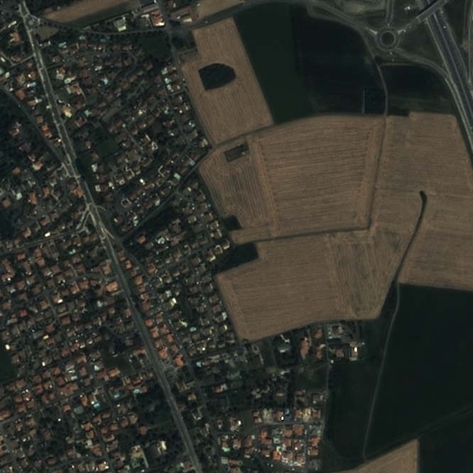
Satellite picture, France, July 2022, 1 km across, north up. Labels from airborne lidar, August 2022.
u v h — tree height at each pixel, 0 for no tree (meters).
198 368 11
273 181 0
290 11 0
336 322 0
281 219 0
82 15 0
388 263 0
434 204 0
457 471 0
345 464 0
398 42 0
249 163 0
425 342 0
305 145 0
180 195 0
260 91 0
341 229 0
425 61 0
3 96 13
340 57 0
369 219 0
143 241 7
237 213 0
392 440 0
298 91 0
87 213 0
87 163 0
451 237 0
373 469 0
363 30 0
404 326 0
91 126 11
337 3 0
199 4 0
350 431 0
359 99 0
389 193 0
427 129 0
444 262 0
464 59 0
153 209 6
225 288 0
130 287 5
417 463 0
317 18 0
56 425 11
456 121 0
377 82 0
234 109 0
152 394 16
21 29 6
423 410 0
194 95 0
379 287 0
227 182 0
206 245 0
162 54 0
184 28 0
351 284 0
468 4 0
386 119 0
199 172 0
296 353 10
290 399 15
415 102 0
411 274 0
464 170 0
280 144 0
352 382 0
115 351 7
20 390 0
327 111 0
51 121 0
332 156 0
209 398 8
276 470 0
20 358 6
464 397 0
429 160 0
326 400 0
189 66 0
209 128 0
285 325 0
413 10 0
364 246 0
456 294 0
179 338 0
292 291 0
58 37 11
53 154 7
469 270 0
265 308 0
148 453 13
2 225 12
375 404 0
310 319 0
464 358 0
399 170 0
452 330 0
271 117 0
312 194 0
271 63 0
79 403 8
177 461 0
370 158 0
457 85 0
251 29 0
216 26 0
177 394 10
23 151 10
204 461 13
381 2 0
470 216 0
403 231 0
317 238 0
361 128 0
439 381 0
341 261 0
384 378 0
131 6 0
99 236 0
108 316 9
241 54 0
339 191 0
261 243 0
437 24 0
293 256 0
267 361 0
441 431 0
